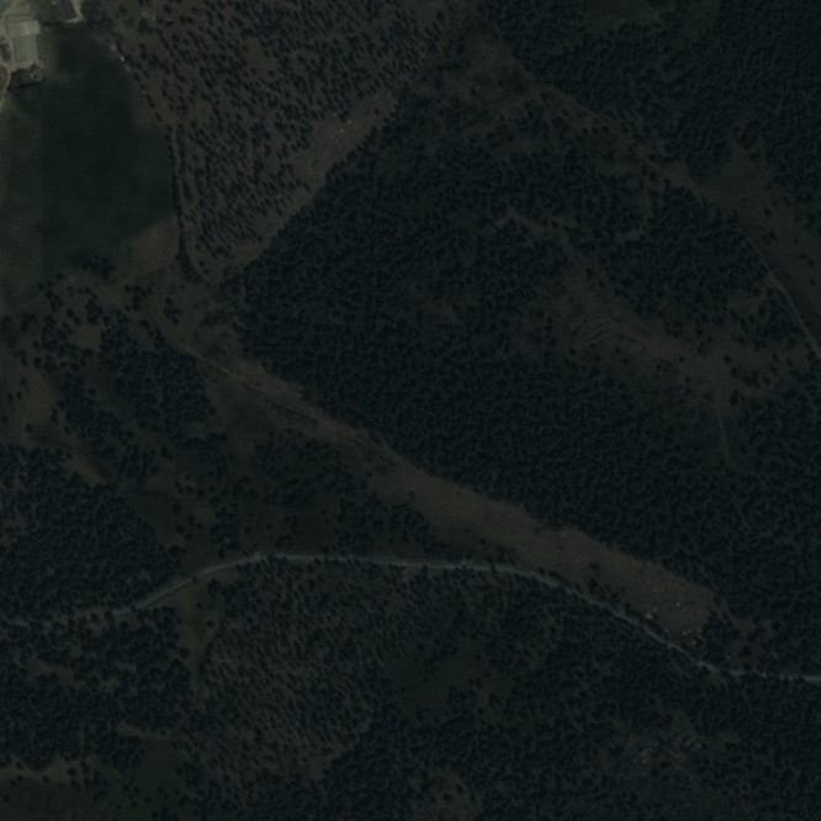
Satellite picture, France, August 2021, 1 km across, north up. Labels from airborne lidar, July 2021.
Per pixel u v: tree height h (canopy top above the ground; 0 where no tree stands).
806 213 0
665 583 0
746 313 0
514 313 16
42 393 0
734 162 0
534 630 11
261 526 0
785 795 10
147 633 15
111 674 12
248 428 0
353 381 18
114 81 0
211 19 11
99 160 0
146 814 0
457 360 10
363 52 9
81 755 11
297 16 9
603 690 15
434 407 13
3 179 0
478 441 15
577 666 12
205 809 13
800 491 13
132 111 0
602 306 0
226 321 0
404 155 0
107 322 9
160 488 0
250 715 15
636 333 0
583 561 0
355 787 12
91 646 11
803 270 0
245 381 0
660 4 6
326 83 10
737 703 15
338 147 0
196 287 0
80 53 0
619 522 8
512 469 10
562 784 12
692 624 0
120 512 14
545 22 10
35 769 10
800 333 13
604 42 12
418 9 0
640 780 0
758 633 10
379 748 8
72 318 9
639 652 7
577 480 15
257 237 14
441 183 13
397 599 0
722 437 0
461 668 0
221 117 8
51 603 14
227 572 0
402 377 16
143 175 0
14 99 0
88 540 11
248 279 12
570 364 12
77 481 11
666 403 0
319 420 0
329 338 15
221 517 12
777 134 9
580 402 13
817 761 13
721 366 0
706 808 0
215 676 13
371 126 0
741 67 14
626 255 14
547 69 14
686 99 14
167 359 15
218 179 13
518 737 16
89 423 10
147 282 0
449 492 0
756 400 0
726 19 12
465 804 0
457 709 7
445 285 9
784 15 7
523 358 10
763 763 0
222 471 13
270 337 17
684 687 15
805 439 10
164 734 11
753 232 0
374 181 14
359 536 8
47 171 0
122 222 0
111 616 13
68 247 0
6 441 0
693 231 12
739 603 12
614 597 10
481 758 12
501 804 10
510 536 0
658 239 14
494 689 0
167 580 15
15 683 14
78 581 16
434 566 0
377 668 16
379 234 13
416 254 16
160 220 0
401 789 16
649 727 14
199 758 12
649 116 13
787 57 7
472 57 0
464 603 9
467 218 0
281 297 18
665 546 17
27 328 10
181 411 19
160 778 0
